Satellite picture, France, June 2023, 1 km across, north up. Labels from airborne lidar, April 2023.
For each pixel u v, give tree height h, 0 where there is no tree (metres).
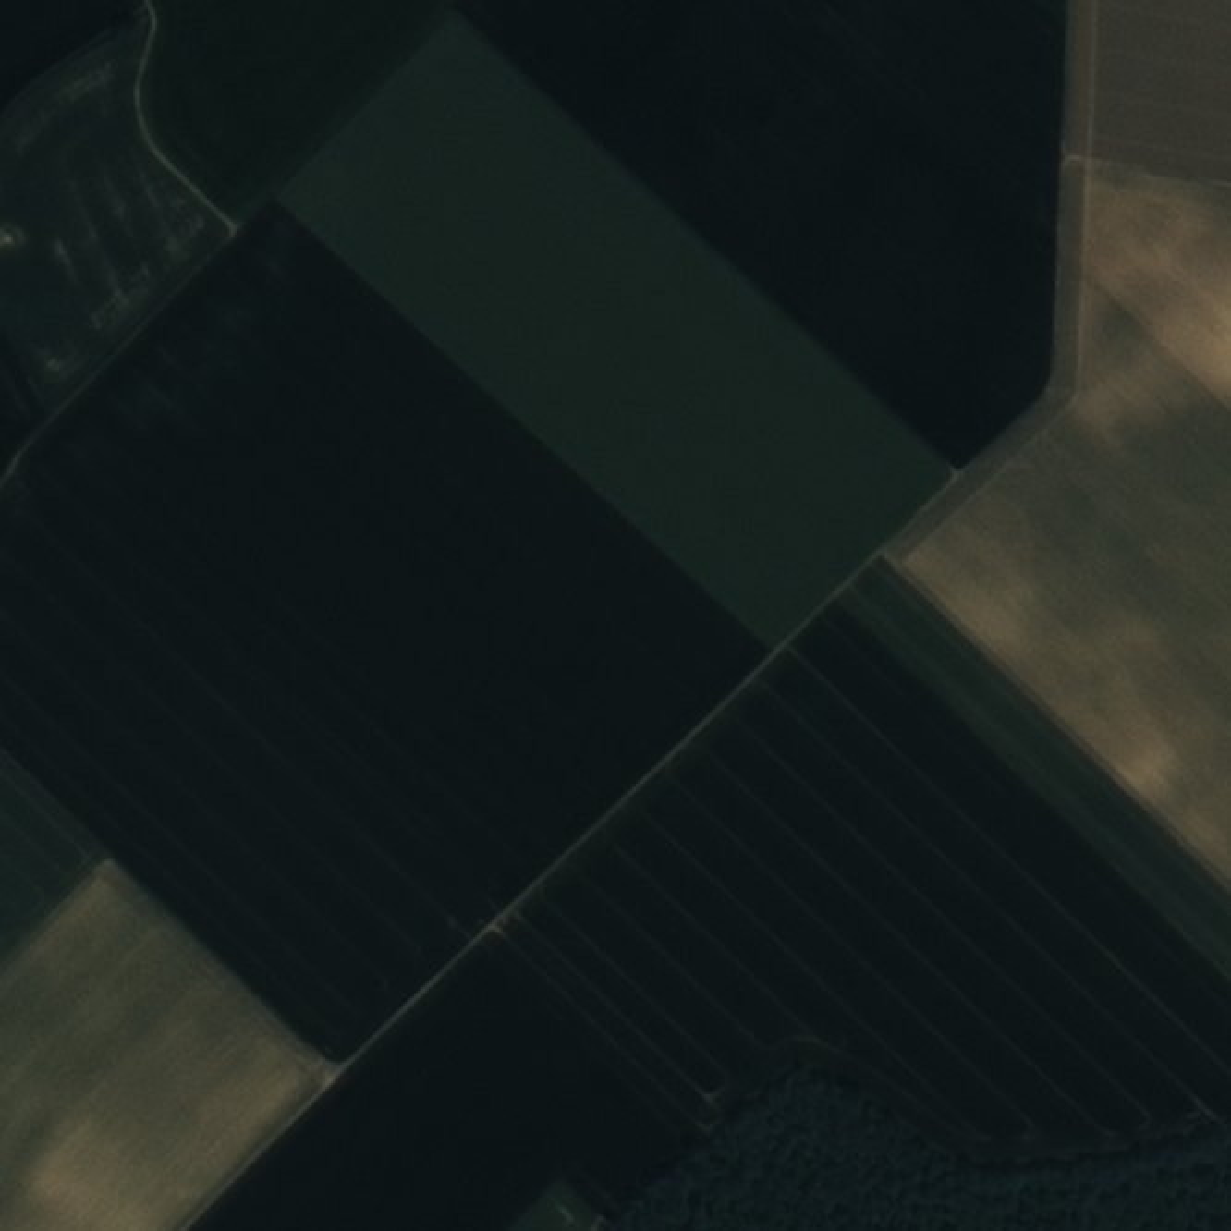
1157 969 0
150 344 0
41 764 0
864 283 0
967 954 0
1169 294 0
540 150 0
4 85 0
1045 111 0
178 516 0
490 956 0
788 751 0
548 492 0
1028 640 0
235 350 0
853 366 0
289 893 0
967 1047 0
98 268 0
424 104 0
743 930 0
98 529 0
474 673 0
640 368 0
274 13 0
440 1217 0
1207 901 0
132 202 0
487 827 0
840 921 0
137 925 0
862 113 0
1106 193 0
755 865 0
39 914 0
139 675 0
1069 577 0
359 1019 0
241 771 0
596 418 0
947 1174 17
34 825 0
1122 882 0
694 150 0
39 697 0
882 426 0
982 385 0
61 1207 0
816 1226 22
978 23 0
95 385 0
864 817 0
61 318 0
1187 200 0
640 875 0
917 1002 0
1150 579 0
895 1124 19
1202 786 0
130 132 0
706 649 0
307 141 0
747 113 0
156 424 0
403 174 0
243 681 0
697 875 0
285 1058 0
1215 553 0
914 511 0
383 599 0
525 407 0
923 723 0
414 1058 0
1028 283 0
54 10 0
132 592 0
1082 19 0
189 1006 0
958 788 0
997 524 0
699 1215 21
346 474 0
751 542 0
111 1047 0
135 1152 0
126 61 0
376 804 0
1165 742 0
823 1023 0
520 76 0
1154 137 0
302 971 0
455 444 0
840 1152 20
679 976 0
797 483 0
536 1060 0
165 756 0
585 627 0
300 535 0
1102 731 0
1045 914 0
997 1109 0
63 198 0
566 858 0
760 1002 0
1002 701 0
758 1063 0
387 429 0
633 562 0
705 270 0
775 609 0
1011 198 0
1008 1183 15
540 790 0
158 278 0
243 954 0
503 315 0
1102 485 0
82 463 0
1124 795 0
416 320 0
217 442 0
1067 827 0
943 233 0
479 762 0
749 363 0
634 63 0
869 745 0
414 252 0
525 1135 0
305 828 0
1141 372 0
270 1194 0
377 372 0
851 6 0
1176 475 0
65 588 0
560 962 0
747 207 0
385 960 0
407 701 0
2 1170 0
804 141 0
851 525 0
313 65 0
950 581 0
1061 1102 0
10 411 0
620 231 0
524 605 0
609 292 0
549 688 0
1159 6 0
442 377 0
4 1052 0
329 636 0
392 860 0
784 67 0
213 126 0
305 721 0
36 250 0
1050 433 0
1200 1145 16
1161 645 0
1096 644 0
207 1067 0
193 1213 0
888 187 0
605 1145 0
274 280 0
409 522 0
